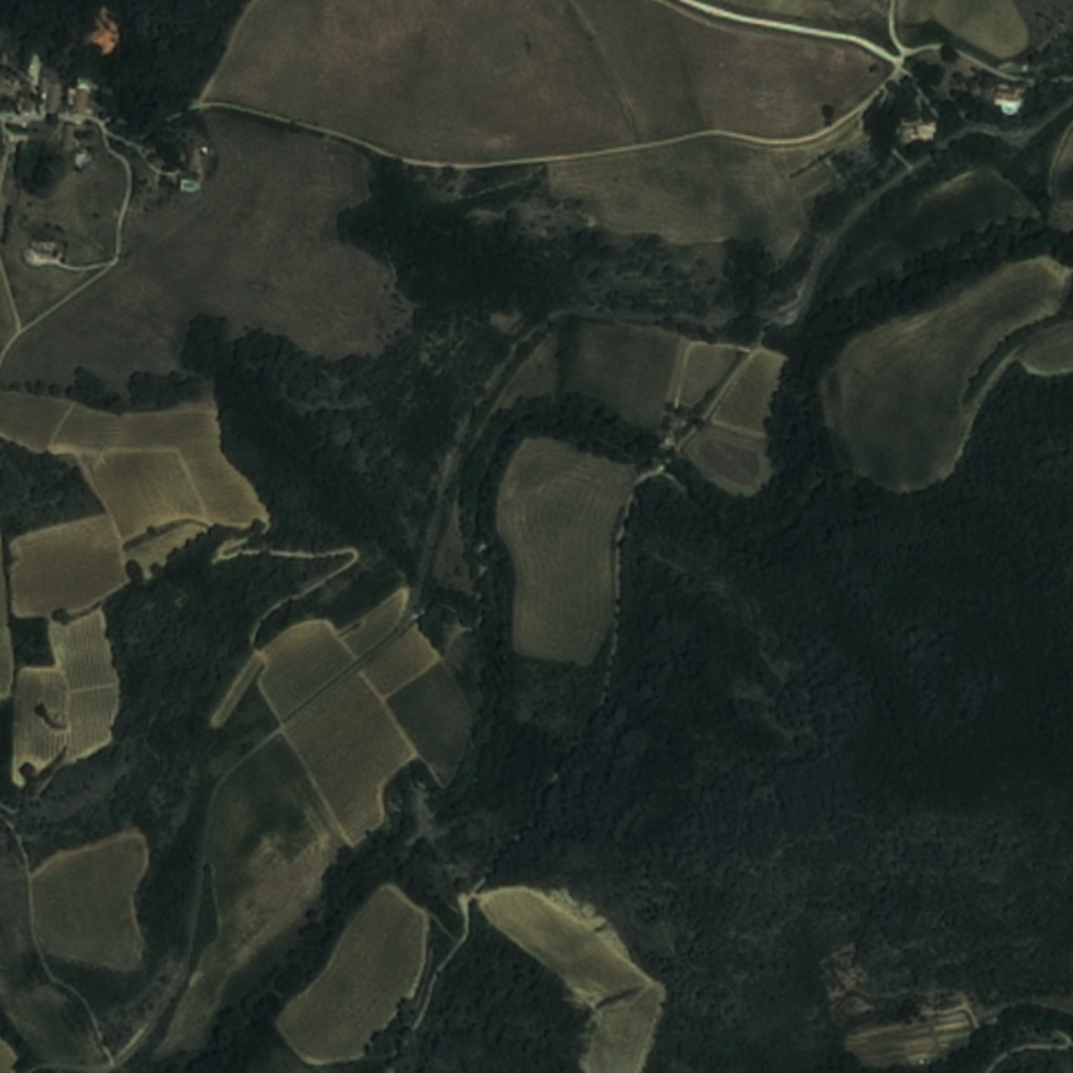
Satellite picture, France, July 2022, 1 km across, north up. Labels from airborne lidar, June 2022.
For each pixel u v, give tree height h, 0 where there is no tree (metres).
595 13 0
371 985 0
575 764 17
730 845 11
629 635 9
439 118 0
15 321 0
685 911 10
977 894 11
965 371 0
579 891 0
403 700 0
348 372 11
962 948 11
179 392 13
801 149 0
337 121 0
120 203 0
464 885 12
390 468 11
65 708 0
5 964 0
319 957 15
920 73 13
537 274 10
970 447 7
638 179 0
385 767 0
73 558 0
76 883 0
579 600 0
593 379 0
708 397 7
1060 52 13
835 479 14
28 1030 0
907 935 6
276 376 12
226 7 6
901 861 8
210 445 0
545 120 0
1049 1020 15
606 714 14
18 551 0
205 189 0
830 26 0
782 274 7
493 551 18
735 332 10
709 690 13
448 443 8
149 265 0
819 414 11
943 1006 8
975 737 8
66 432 0
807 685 10
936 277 18
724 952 6
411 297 9
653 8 0
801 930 7
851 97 0
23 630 11
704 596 10
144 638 12
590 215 0
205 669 6
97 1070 0
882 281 13
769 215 0
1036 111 10
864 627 6
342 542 14
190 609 10
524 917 0
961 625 6
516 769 13
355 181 0
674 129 0
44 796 10
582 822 7
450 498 10
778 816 10
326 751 0
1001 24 0
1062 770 7
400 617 0
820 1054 7
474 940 6
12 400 0
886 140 13
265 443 14
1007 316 0
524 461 0
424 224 9
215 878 0
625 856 7
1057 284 0
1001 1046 8
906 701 10
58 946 0
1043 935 6
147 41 12
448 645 0
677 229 0
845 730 15
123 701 9
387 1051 15
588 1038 0
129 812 10
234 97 0
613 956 0
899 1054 0
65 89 6
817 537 10
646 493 16
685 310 8
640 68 0
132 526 0
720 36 0
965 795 6
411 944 0
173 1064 10
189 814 7
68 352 0
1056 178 0
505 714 13
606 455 8
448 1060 10
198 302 0
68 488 7
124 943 0
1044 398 7
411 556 11
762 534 9
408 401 6
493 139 0
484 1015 7
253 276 0
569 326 8
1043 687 9
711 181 0
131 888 0
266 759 0
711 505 11
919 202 0
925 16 0
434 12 0
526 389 0
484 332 6
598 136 0
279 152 0
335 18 0
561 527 0
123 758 10
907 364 0
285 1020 0
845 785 16
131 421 0
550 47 0
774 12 0
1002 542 13
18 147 11
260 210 0
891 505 14
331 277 0
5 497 8
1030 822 6
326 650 0
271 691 0
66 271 0
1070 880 7
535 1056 6
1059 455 7
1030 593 10
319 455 13
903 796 8
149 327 0
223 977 0
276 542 10
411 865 11
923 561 8
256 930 0
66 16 14
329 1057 0
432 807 13
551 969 0
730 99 0
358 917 0
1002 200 0
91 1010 6
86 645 0
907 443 0
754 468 0
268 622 13
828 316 18
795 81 0
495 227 9
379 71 0
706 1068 7
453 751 0
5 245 7
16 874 0
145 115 10
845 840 9
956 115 15
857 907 9
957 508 12
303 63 0
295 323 0
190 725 15
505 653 10
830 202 6
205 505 0
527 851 15
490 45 0
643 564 13
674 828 11
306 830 0
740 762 6
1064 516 7
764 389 0
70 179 0
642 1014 0
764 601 7
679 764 8
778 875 11
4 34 0
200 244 0
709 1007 10
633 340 0
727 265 6
